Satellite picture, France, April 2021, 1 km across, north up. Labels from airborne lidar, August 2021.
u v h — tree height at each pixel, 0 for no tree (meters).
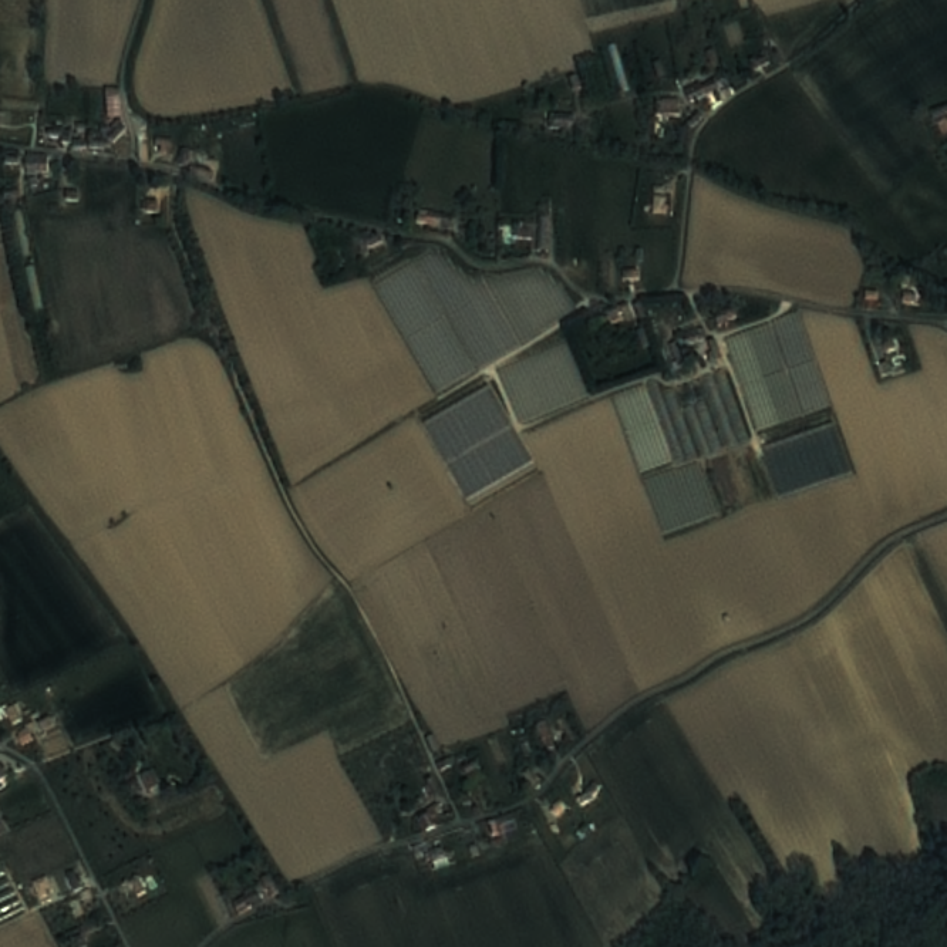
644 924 10
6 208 9
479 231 8
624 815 0
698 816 0
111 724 0
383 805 13
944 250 6
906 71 0
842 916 18
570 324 13
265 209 8
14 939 0
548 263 0
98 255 0
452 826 0
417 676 0
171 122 11
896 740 0
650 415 0
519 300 0
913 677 0
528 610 0
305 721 0
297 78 0
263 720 0
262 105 12
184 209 7
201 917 0
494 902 0
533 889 0
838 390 0
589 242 0
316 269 7
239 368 13
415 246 0
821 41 8
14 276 8
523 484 0
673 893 12
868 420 0
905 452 0
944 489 0
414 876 0
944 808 0
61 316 0
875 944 12
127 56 0
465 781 10
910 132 0
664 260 0
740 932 0
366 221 0
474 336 0
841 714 0
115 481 0
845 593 0
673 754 0
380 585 0
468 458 0
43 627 0
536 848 0
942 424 0
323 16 0
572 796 0
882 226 0
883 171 0
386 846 0
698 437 0
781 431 0
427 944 0
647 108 8
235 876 12
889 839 0
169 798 13
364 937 0
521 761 7
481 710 0
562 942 0
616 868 0
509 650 0
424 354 0
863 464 0
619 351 8
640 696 0
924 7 0
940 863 15
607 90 18
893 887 23
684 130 17
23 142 0
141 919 0
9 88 0
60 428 0
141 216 11
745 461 0
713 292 12
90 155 0
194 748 12
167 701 0
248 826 8
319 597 0
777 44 0
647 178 0
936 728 0
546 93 8
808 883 15
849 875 16
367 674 0
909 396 0
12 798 0
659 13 0
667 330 0
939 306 12
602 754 0
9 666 0
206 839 0
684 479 0
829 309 0
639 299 8
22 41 0
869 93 0
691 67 8
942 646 0
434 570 0
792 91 0
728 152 0
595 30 0
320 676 0
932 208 0
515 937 0
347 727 0
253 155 0
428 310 0
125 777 7
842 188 0
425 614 0
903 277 11
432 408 0
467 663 0
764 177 0
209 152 0
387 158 0
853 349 0
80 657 0
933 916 21
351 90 6
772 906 11
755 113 0
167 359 0
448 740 0
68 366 0
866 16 0
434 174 0
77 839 0
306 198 0
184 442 0
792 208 12
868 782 0
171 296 0
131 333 0
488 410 0
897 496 0
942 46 0
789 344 0
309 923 0
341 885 0
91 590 0
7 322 0
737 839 0
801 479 0
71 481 0
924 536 0
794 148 0
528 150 0
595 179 0
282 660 0
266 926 0
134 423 0
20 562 0
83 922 5
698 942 6
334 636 0
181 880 0
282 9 0
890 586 0
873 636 0
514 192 0
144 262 0
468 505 0
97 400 0
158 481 0
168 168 0
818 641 0
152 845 0
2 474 0
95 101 0
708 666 0
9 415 0
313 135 0
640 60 9
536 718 10
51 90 0
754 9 8
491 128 6
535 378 0
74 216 0
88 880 0
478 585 0
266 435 6
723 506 0
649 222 0
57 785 0
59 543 0
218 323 13
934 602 0
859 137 0
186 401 0
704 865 12
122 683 0
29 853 0
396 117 0
